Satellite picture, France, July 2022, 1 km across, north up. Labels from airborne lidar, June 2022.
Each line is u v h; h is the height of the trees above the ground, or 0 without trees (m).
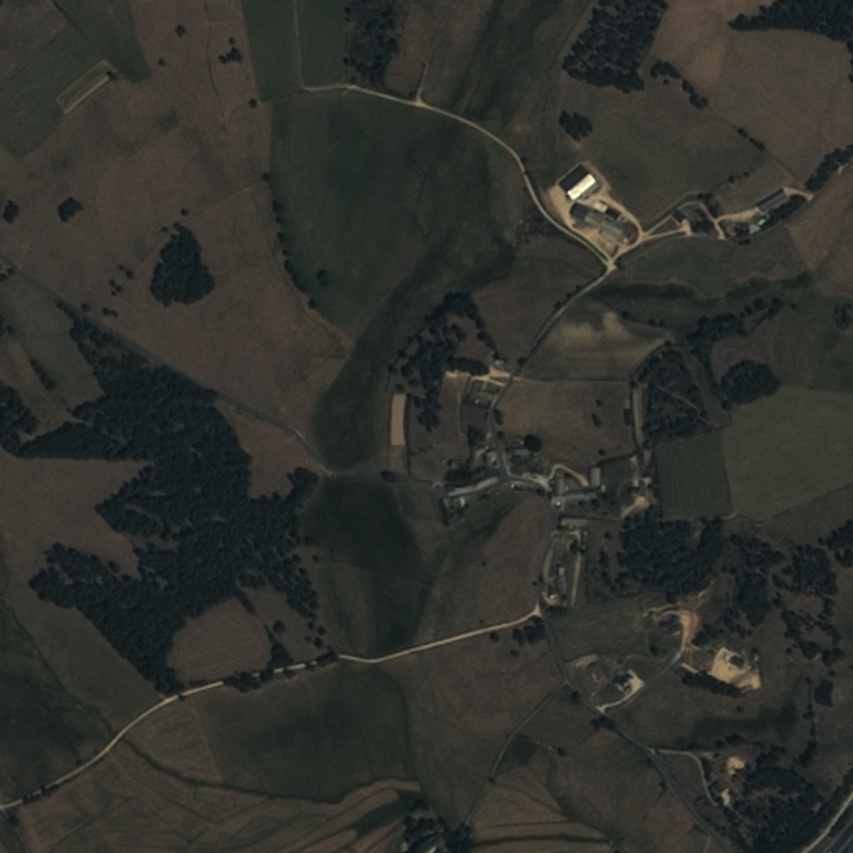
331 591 0
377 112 0
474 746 0
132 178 0
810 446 0
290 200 0
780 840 9
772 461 0
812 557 20
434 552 0
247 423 0
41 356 0
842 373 0
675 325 0
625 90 11
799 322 0
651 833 0
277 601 0
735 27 10
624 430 0
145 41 0
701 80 0
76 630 0
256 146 0
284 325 0
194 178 0
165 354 0
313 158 0
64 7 0
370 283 0
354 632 0
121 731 0
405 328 0
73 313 12
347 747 0
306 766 0
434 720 0
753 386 18
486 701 0
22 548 0
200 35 0
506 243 0
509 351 0
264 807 0
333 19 0
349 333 0
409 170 0
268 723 0
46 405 0
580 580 0
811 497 0
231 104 0
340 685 0
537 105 0
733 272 0
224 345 0
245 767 0
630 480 0
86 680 0
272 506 20
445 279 0
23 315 0
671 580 19
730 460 0
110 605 21
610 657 0
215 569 17
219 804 0
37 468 0
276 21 0
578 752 0
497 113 0
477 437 12
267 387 0
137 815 0
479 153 0
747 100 0
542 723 0
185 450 22
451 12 0
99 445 22
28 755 0
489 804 0
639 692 0
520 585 0
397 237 0
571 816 0
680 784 0
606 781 0
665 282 0
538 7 0
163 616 17
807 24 16
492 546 0
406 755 0
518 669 0
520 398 0
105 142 0
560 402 0
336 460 0
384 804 0
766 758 15
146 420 20
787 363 0
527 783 0
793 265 0
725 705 0
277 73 0
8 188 0
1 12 0
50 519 0
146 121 0
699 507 0
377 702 0
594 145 0
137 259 0
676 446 0
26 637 0
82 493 0
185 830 0
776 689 0
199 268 18
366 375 0
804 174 0
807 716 9
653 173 0
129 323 0
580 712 0
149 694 0
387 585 0
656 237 0
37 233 0
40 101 0
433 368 13
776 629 0
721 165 0
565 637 0
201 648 0
